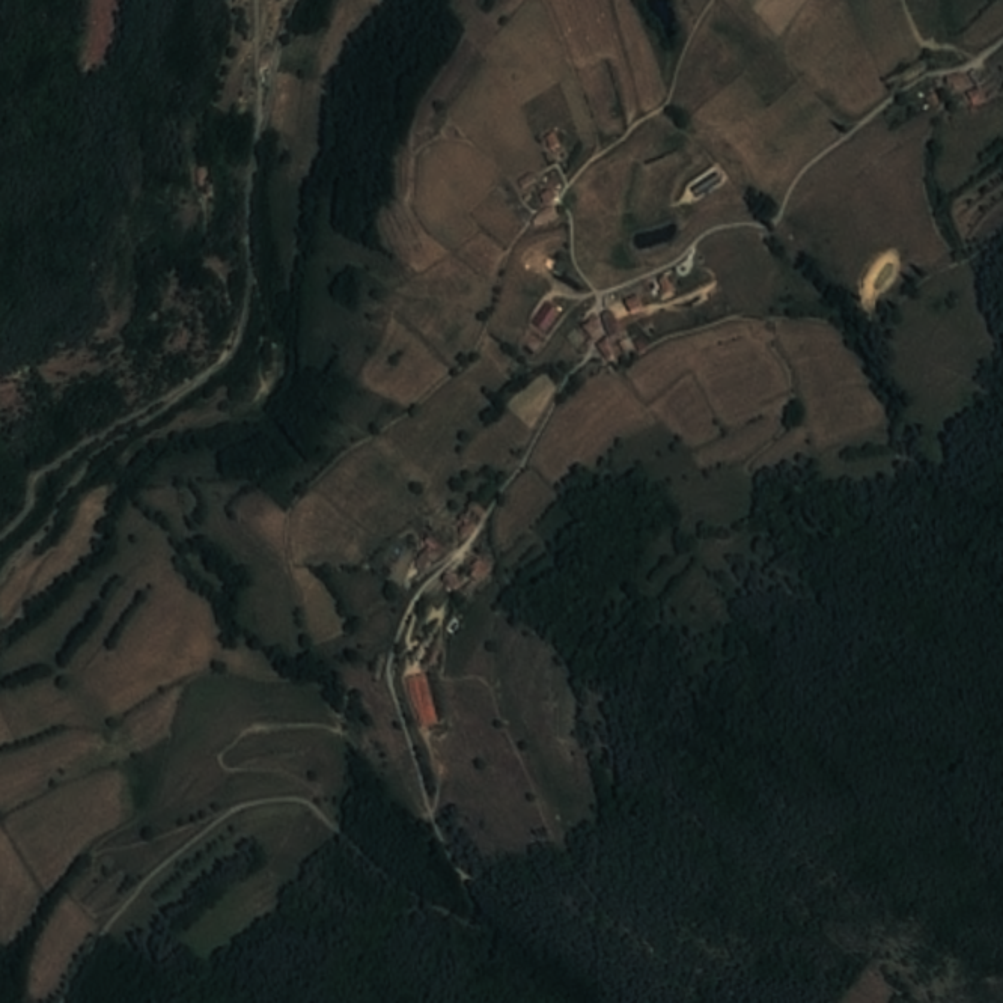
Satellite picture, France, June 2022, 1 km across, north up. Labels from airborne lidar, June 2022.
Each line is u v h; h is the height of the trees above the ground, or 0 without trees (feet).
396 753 0
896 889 36
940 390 0
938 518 68
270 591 0
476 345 0
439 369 0
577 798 0
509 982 63
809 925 41
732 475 0
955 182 0
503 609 23
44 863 0
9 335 34
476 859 46
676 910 48
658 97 0
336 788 0
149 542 0
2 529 28
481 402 0
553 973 84
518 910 59
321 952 59
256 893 0
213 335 46
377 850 80
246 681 0
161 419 26
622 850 57
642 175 0
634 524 53
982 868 24
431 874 74
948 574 63
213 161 24
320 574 39
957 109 34
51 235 31
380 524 0
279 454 69
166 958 71
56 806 0
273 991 69
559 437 0
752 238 0
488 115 0
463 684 0
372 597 0
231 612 67
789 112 0
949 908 34
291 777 0
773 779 45
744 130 0
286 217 0
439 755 0
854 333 53
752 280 0
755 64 0
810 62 0
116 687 0
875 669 49
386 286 0
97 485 49
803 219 0
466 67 0
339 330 0
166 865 0
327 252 0
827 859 50
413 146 0
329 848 28
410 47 62
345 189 67
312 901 47
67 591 68
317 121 0
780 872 41
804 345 0
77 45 65
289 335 51
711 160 0
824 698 52
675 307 0
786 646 54
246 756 0
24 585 0
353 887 51
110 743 0
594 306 0
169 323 40
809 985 60
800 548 66
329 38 0
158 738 0
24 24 49
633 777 56
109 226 49
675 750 43
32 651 0
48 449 21
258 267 47
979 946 46
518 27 0
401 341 0
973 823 57
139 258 32
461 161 0
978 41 0
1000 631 63
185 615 0
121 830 0
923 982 25
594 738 39
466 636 0
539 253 0
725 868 55
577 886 57
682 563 0
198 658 0
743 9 0
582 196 0
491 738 0
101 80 50
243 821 0
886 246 0
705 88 0
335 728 0
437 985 77
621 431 0
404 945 81
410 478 0
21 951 46
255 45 0
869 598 67
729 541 34
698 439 0
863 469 0
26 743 28
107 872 35
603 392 0
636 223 0
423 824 26
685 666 45
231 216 30
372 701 0
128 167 52
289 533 0
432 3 42
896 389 62
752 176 0
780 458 0
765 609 63
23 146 49
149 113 40
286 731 0
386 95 54
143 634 0
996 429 54
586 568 65
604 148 0
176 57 66
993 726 73
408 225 0
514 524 0
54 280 48
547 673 0
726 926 49
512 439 0
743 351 0
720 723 28
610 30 0
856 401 0
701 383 0
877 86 0
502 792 0
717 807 48
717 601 0
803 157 0
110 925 0
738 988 57
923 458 37
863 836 43
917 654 61
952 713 62
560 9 0
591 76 0
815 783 63
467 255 0
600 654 31
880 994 0
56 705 0
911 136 0
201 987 65
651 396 0
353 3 0
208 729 0
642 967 46
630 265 0
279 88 0
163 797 0
